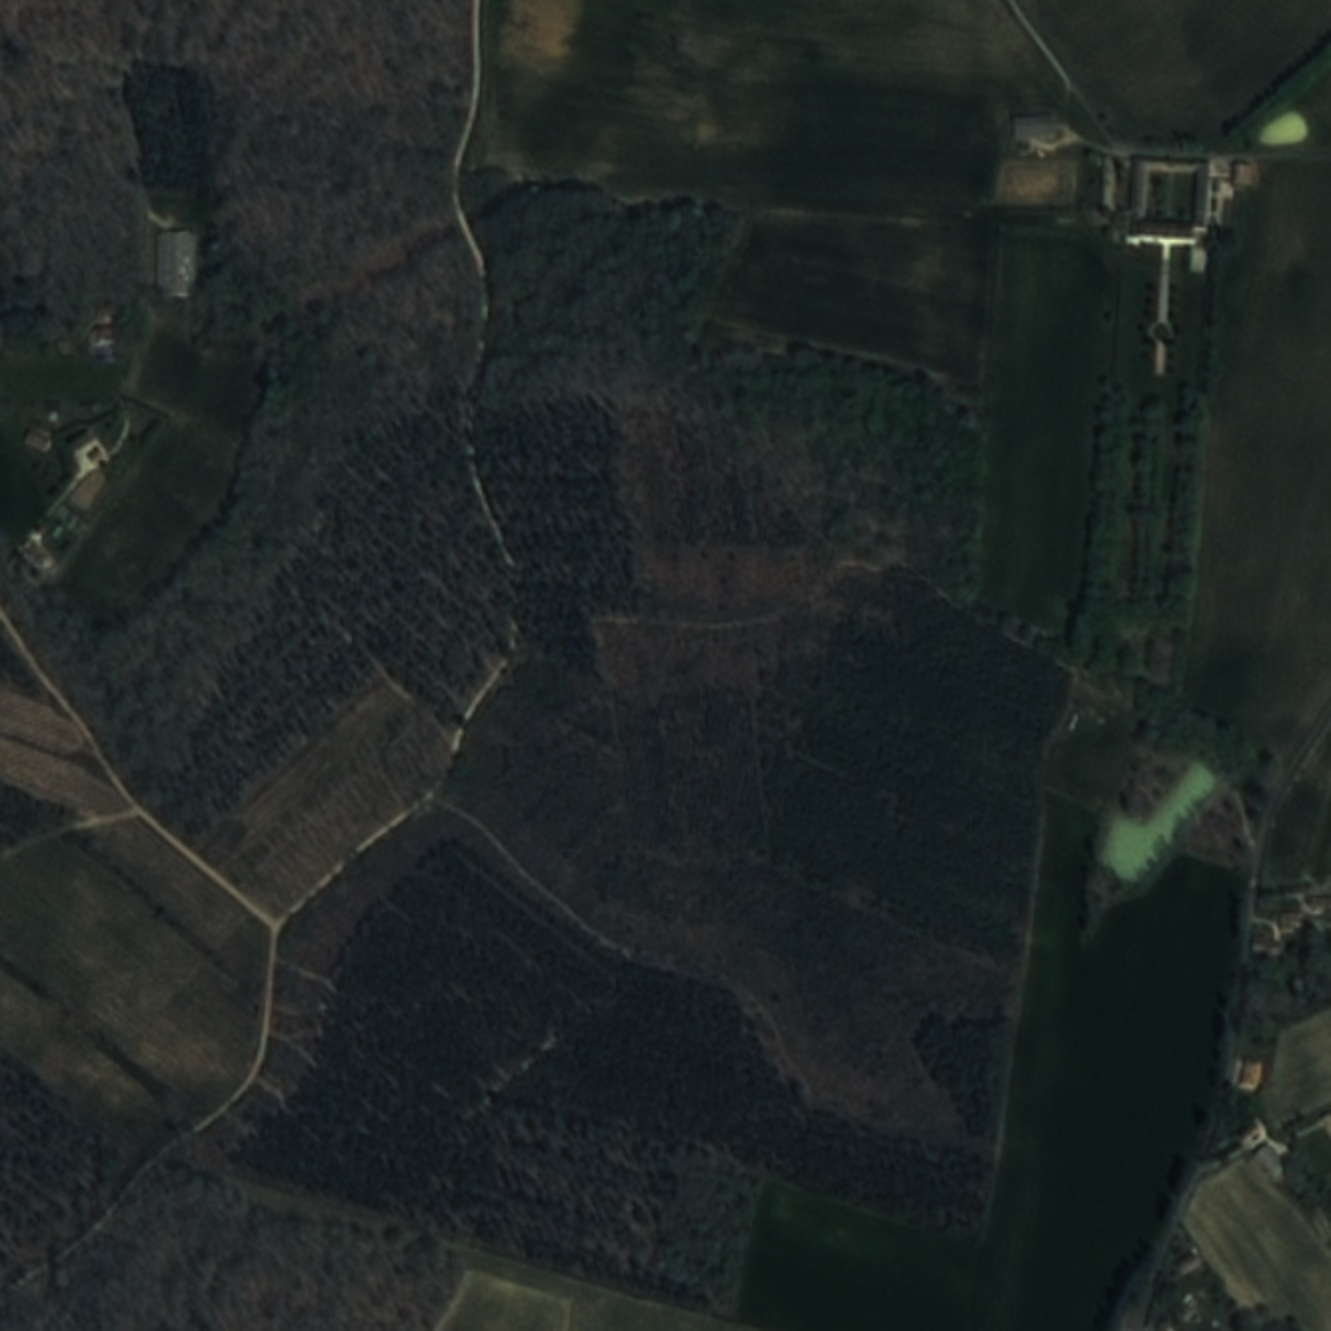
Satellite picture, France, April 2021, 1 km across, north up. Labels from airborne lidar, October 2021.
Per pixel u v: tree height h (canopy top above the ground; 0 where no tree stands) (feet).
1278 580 0
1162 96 0
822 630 20
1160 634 44
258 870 73
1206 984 0
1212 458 0
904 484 47
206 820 61
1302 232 0
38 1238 62
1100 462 46
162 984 0
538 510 65
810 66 0
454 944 39
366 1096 35
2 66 46
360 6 53
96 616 0
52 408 0
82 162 64
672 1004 40
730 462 28
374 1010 35
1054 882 0
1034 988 0
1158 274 0
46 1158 75
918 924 22
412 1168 37
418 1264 62
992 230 0
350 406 45
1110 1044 0
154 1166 61
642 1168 56
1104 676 47
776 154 0
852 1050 26
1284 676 0
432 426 69
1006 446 0
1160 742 59
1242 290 0
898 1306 0
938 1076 52
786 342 0
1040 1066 0
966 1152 19
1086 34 0
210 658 72
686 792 23
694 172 0
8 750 0
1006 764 22
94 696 63
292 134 58
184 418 0
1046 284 0
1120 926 0
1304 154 0
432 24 54
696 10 0
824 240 0
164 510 0
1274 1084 0
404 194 57
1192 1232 0
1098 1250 0
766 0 0
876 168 0
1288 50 0
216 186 48
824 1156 42
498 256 64
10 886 0
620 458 54
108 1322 58
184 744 68
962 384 0
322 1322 36
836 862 28
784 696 24
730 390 41
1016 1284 0
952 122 0
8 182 57
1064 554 0
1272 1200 0
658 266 59
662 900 23
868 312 0
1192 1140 0
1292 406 0
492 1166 34
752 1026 38
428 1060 40
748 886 24
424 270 65
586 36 0
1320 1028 0
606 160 0
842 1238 0
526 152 0
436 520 51
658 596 25
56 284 63
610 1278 53
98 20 44
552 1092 31
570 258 73
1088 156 25
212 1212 51
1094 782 0
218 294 73
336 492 55
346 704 61
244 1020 0
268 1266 62
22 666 30
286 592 67
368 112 34
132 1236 60
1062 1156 0
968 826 26
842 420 60
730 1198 52
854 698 25
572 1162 41
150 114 31
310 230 54
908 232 0
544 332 53
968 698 26
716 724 30
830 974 24
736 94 0
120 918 0
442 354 59
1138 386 0
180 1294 50
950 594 32
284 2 54
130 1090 0
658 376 40
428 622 51
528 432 58
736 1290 33
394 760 86
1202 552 0
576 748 26
